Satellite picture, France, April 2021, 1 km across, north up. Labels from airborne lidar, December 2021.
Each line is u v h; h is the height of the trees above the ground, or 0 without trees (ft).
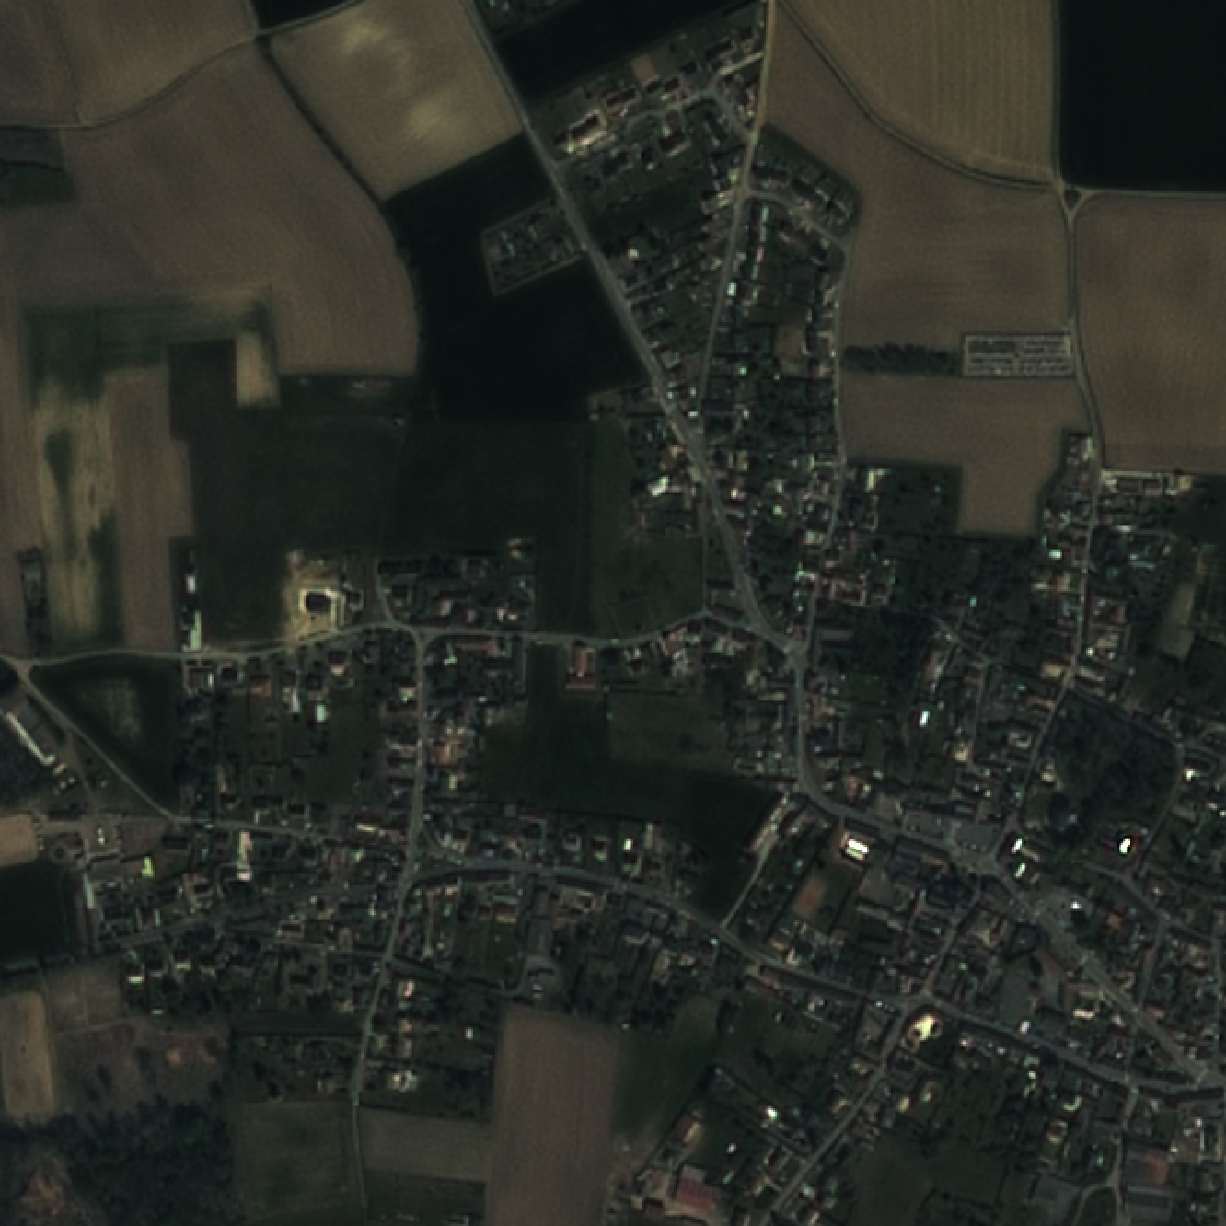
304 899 0
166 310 0
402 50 0
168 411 0
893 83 0
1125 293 0
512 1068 0
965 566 0
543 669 0
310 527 0
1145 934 21
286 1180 0
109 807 0
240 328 0
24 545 0
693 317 0
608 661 28
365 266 0
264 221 0
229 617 0
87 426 0
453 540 0
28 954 0
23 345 0
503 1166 0
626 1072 0
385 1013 0
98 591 0
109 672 0
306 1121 0
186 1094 0
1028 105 0
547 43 0
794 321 0
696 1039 0
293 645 0
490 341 0
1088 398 0
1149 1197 0
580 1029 0
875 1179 0
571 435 0
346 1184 0
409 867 0
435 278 0
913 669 41
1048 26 0
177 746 0
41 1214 0
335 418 0
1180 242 0
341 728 0
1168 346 0
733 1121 0
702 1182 0
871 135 0
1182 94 0
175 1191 60
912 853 0
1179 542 0
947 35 0
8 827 0
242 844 0
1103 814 60
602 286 0
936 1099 0
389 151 0
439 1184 0
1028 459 0
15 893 0
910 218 0
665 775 0
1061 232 0
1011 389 0
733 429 31
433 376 0
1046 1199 0
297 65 0
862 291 0
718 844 0
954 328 0
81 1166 71
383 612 0
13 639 0
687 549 0
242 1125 0
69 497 0
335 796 0
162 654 0
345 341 0
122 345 0
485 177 0
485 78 0
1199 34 0
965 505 0
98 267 0
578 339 0
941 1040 0
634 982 28
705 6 0
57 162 0
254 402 0
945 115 0
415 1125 0
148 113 0
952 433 0
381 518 0
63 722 0
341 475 0
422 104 0
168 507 0
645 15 0
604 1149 0
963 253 0
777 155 0
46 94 0
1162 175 0
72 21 0
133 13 0
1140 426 0
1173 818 0
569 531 0
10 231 0
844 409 0
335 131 0
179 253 0
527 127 0
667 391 0
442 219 0
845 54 0
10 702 0
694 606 0
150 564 0
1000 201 0
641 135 0
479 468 0
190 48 0
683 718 0
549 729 0
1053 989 0
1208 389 0
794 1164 0
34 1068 0
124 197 0
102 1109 68
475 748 0
